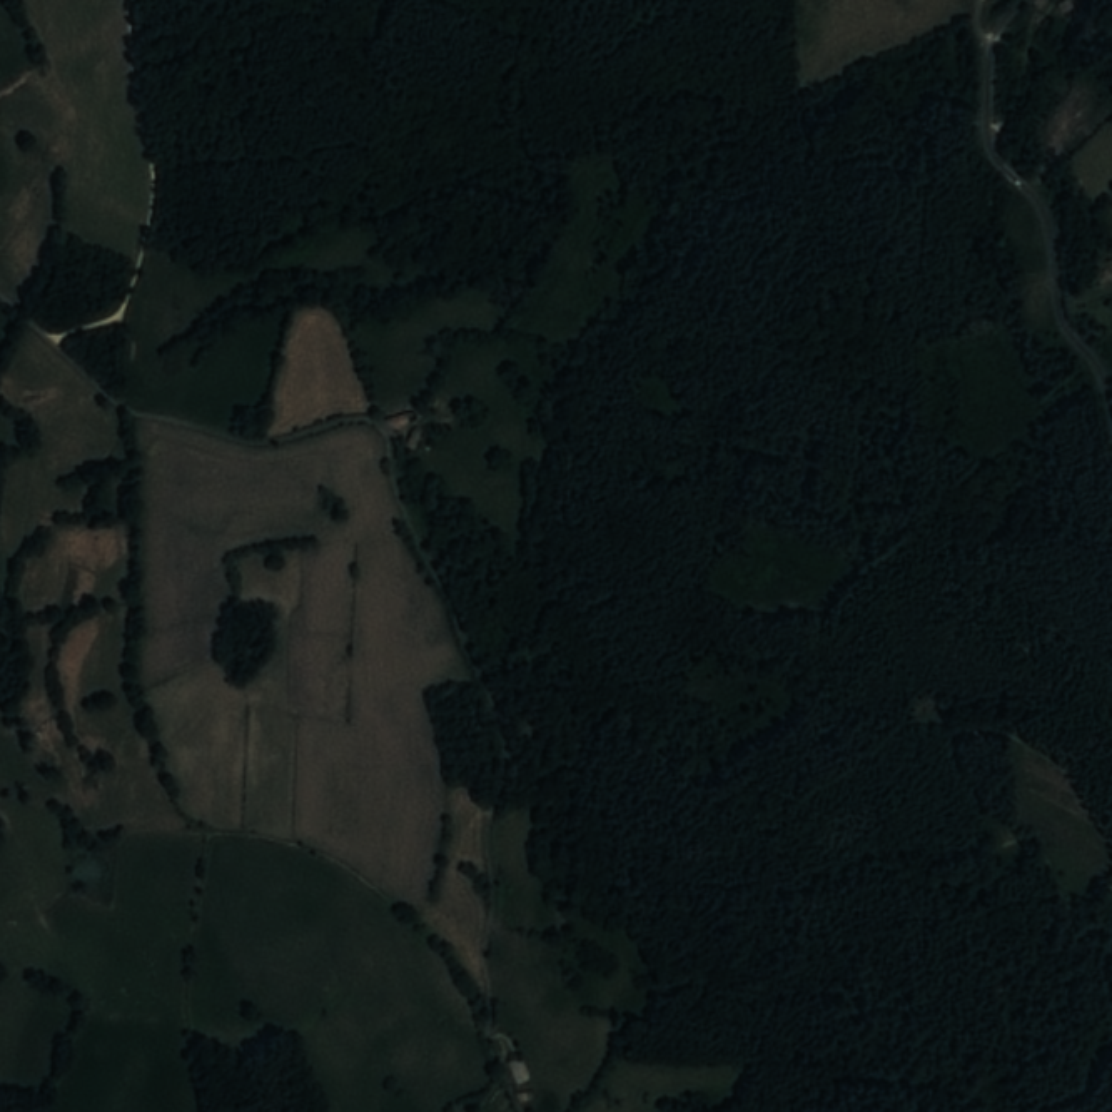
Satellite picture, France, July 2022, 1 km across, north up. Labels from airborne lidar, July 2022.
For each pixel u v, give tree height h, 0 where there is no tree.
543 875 19
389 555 0
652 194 22
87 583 0
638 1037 25
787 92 16
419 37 25
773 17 12
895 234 33
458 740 17
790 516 38
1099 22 28
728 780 37
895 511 32
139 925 0
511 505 0
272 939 0
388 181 6
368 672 0
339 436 0
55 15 0
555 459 19
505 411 0
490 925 0
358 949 0
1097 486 30
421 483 10
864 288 15
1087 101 0
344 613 0
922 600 18
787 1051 22
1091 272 7
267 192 10
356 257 0
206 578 0
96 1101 0
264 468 0
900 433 27
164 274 0
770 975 25
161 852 0
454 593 20
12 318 18
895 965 24
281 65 16
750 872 26
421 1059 0
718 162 21
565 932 13
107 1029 0
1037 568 25
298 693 0
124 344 9
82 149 0
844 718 24
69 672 0
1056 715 24
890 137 24
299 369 0
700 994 20
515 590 7
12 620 19
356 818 0
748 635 25
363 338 0
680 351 28
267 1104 21
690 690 21
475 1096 9
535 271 26
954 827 19
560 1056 0
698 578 28
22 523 0
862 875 23
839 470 30
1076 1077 31
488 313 0
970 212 20
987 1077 23
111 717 0
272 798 0
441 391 17
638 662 27
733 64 12
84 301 7
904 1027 26
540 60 10
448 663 0
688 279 35
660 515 25
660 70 12
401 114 10
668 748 14
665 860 30
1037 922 21
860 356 22
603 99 18
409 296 21
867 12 0
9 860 0
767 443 34
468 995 10
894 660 22
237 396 0
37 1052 0
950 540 20
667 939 25
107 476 20
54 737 0
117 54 0
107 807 0
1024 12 13
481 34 20
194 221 14
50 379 0
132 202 0
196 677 0
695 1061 21
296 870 0
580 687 22
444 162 10
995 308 15
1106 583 26
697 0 18
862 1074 12
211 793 0
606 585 25
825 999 18
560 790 25
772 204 33
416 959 0
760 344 26
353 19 9
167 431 0
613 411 22
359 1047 0
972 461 31
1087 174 0
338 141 9
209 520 0
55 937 0
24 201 0
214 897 0
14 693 19
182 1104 0
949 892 16
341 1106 0
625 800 32
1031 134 26
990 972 29
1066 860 0
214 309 12
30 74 0
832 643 16
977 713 28
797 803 19
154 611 0
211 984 0
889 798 16
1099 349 7
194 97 27
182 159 24
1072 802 0
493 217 11
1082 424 27
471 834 0
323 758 0
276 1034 26
